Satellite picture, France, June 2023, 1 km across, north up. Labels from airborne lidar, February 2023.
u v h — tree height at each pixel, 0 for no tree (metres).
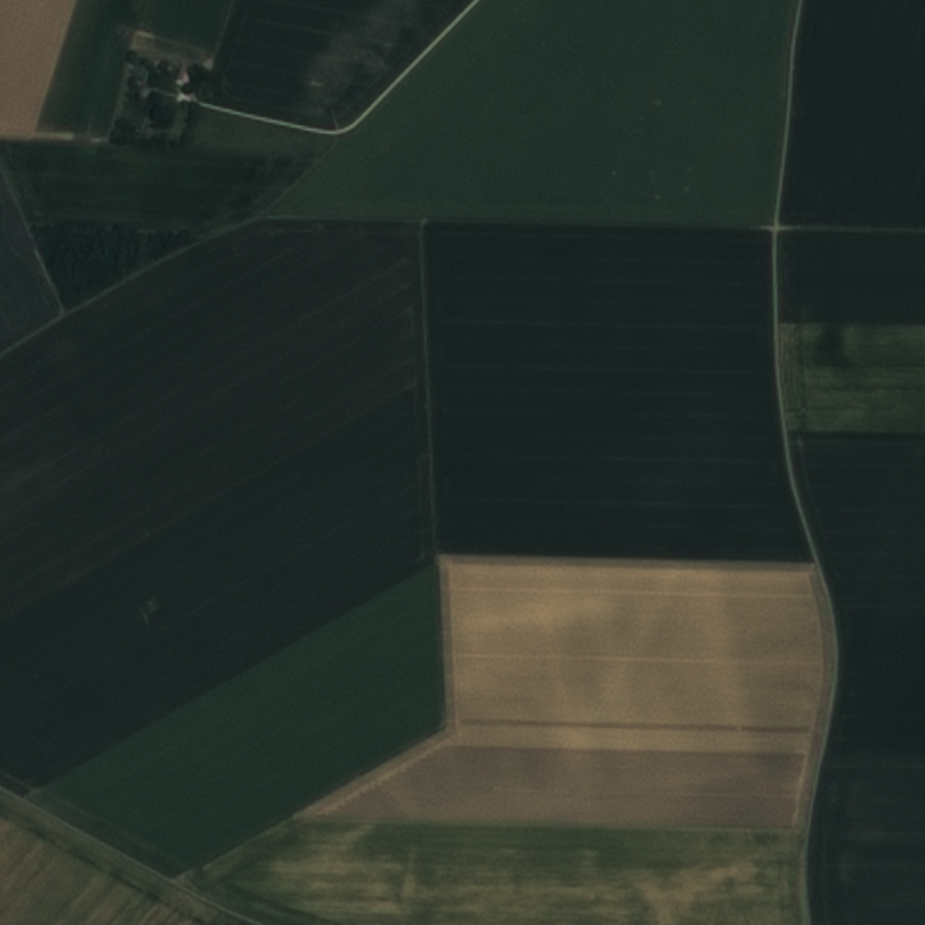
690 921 0
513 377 0
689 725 0
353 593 0
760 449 0
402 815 0
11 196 0
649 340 0
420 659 0
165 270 0
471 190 0
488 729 0
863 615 0
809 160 0
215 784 0
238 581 0
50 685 0
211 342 0
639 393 0
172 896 0
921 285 0
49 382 0
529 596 0
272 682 0
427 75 0
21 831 0
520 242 0
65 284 10
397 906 0
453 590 0
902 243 0
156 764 0
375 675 0
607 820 0
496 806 0
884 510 0
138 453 0
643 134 0
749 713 0
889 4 0
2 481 0
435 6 0
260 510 0
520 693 0
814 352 0
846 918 0
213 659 0
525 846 0
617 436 0
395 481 0
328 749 0
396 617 0
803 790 0
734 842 0
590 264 0
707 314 0
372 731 0
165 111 17
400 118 0
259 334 0
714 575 0
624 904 0
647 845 0
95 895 0
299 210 0
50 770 0
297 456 0
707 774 0
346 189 0
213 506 0
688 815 0
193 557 0
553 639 0
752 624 0
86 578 0
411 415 0
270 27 0
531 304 0
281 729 0
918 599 0
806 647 0
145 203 0
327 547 0
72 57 0
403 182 0
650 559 0
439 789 0
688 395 0
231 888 0
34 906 0
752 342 0
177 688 0
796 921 0
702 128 0
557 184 0
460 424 0
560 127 0
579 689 0
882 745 0
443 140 0
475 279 0
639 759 0
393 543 0
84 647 0
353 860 0
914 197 0
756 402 0
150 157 0
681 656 0
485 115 0
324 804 0
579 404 0
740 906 0
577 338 0
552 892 0
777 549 0
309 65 0
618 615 0
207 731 0
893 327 0
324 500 0
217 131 0
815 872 0
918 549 0
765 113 0
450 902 0
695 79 0
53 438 0
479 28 0
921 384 0
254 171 0
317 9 0
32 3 0
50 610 0
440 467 0
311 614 0
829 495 0
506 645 0
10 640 0
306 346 0
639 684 0
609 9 0
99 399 0
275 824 0
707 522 0
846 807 0
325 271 0
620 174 0
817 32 0
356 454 0
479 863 0
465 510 0
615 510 0
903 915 0
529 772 0
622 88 0
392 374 0
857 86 0
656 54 0
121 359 0
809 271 0
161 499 0
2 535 0
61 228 6
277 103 0
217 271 0
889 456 0
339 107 0
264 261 0
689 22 0
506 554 0
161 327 0
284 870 0
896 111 0
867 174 0
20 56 0
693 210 0
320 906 0
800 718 0
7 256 0
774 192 0
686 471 0
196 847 0
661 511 0
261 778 0
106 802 0
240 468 0
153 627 0
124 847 0
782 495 0
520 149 0
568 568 0
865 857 0
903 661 0
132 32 0
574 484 0
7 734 0
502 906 0
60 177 0
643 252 0
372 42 0
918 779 0
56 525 0
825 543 0
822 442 0
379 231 0
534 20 0
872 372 0
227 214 0
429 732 0
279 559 0
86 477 0
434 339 0
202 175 0
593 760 0
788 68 0
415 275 0
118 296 0
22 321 0
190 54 0
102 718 0
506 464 0
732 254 0
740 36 0
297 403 0
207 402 0
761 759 0
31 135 0
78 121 0
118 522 0
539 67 0
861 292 0
